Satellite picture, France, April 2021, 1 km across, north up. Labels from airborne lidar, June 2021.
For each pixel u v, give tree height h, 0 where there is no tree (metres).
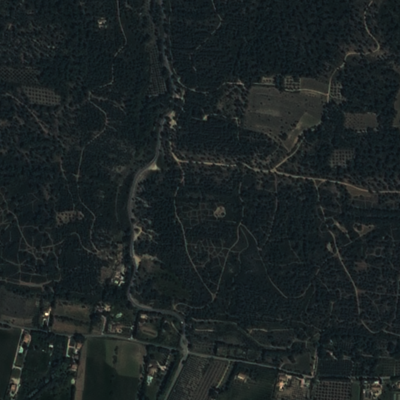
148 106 19
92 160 8
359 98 16
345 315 7
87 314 0
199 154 9
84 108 9
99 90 11
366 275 7
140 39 11
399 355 16
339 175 13
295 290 7
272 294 7
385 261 11
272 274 10
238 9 10
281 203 10
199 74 10
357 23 14
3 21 13
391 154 10
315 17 16
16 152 10
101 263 6
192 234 7
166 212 9
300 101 0
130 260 16
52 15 15
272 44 9
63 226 7
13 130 15
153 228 10
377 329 7
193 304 8
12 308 0
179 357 11
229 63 7
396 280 8
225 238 7
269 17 13
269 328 0
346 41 13
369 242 10
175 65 12
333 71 16
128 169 0
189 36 10
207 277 7
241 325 11
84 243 8
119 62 9
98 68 9
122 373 0
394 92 12
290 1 13
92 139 6
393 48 13
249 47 15
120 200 0
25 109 16
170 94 12
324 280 9
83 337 19
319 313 9
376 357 16
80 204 6
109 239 11
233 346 10
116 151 6
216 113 9
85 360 0
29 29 12
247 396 0
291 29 12
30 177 14
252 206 6
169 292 0
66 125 13
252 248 0
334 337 15
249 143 8
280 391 0
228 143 12
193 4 8
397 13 20
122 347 0
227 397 0
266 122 0
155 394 0
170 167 11
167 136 13
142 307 0
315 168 11
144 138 6
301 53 15
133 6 12
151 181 11
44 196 14
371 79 15
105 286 6
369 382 6
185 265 7
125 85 7
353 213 11
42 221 16
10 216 15
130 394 0
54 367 20
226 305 9
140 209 10
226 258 0
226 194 12
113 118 9
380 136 19
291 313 8
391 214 14
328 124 18
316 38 16
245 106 8
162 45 16
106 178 11
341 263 7
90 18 14
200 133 11
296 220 14
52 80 16
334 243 10
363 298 9
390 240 9
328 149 13
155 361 7
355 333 13
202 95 11
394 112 17
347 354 11
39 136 12
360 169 15
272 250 9
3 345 0
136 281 7
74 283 7
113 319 9
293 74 12
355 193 0
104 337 0
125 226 0
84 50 16
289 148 0
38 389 7
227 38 11
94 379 0
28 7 17
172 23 11
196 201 6
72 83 19
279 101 0
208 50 7
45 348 7
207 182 10
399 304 8
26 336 0
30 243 0
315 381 11
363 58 17
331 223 9
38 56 16
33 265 14
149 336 0
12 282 0
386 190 12
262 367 7
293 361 12
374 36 12
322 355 21
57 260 9
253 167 9
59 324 0
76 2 13
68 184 10
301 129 0
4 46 16
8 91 15
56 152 13
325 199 7
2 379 0
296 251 12
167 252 7
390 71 13
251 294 8
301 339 11
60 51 16
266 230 7
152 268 0
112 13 7
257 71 8
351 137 15
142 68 10
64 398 0
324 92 0
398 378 12
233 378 9
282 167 8
